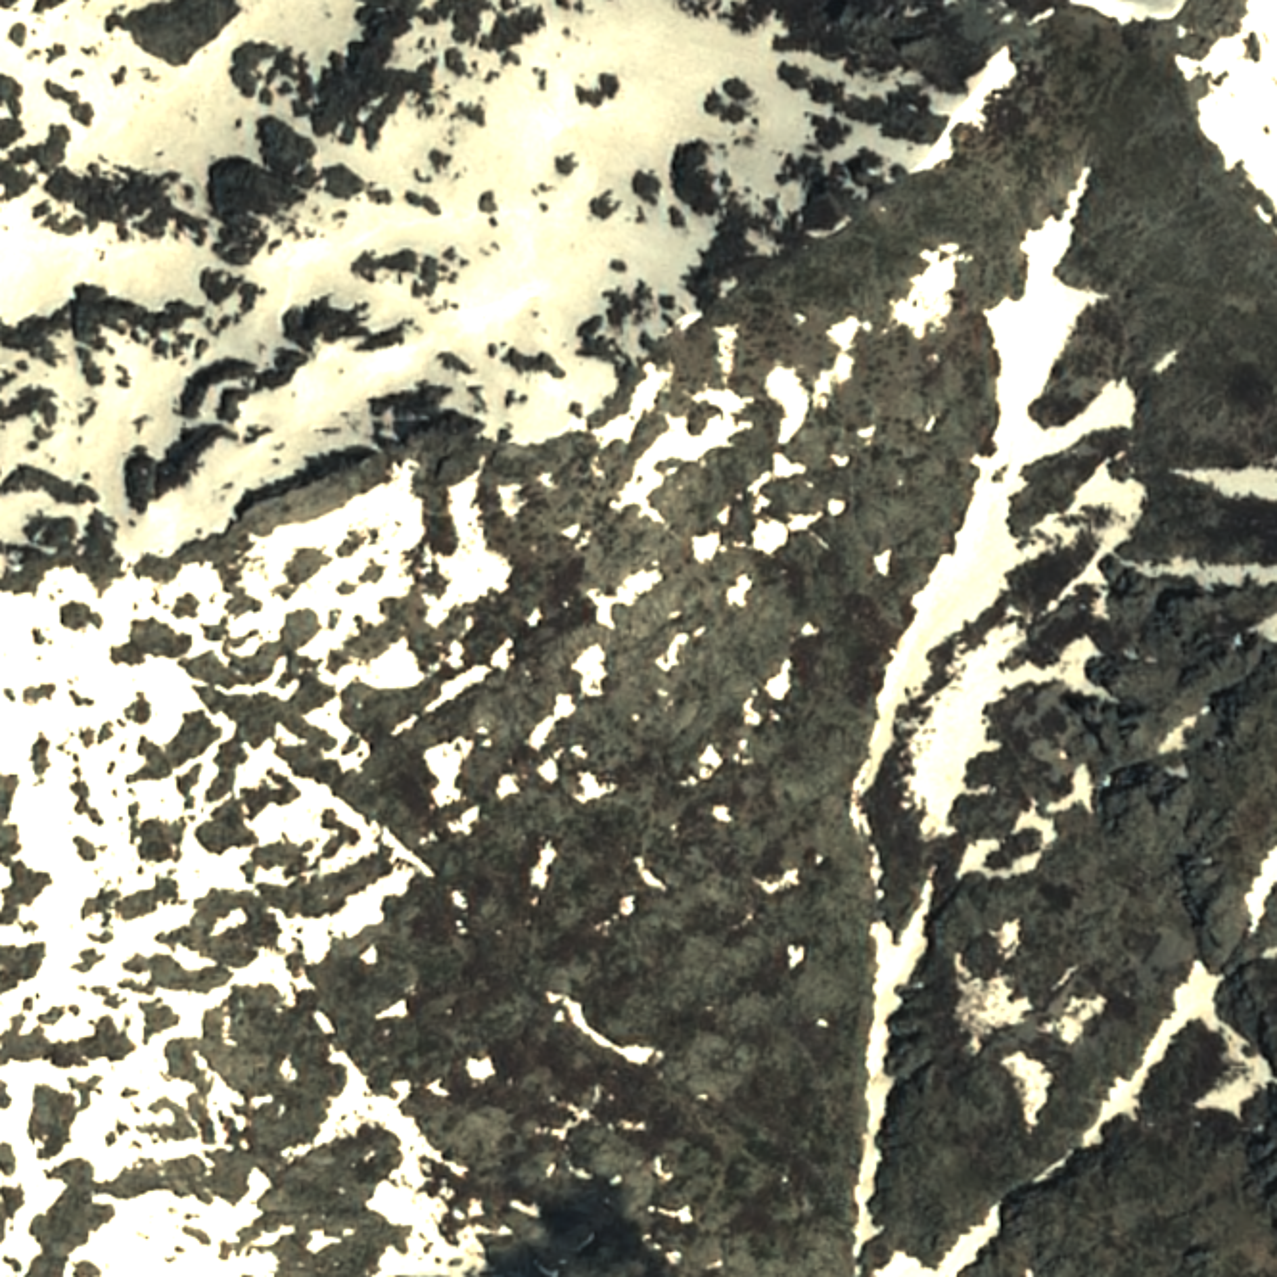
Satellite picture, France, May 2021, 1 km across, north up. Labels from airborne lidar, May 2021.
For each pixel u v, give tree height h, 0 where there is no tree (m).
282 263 0
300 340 0
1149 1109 0
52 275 0
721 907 0
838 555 0
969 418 0
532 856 0
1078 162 0
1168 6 0
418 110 0
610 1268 0
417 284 0
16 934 0
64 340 0
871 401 0
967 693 0
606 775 0
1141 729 0
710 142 0
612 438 0
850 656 0
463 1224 0
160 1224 0
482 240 0
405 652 0
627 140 0
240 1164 0
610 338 0
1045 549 0
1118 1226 0
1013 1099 6
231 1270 0
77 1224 0
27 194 0
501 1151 0
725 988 0
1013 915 0
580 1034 0
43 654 0
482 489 0
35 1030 0
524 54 0
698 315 0
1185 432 0
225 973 0
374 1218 0
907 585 0
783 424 0
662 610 0
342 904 0
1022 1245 0
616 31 0
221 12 0
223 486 0
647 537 0
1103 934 0
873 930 0
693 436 0
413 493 0
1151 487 0
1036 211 0
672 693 0
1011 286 0
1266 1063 0
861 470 0
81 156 0
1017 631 0
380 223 0
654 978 0
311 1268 0
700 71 0
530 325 0
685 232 0
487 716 0
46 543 0
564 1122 0
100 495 0
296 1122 0
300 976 0
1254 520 0
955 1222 0
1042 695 0
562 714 0
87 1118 0
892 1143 0
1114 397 0
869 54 0
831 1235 0
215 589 0
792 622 0
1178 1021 0
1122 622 0
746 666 0
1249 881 0
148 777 0
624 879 0
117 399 0
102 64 0
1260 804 0
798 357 0
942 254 0
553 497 0
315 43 0
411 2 0
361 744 0
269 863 0
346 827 0
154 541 0
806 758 0
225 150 0
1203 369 0
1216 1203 0
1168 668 0
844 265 0
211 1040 0
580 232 0
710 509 0
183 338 0
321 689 0
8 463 0
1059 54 0
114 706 0
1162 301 0
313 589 0
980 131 0
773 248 0
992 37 0
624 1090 7
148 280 0
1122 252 0
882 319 0
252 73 0
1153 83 0
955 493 0
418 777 0
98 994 0
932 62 0
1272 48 0
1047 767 0
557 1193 0
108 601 0
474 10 0
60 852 0
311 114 0
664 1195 0
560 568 0
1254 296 0
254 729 0
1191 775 0
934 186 0
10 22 0
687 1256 0
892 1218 0
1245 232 0
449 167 0
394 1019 0
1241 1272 0
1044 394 0
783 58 0
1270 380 0
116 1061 0
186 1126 0
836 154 0
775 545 0
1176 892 0
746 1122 0
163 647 0
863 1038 0
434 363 0
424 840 0
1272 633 0
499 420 0
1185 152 0
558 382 0
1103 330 0
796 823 0
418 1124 0
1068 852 0
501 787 0
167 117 0
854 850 0
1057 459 0
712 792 0
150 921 0
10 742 0
